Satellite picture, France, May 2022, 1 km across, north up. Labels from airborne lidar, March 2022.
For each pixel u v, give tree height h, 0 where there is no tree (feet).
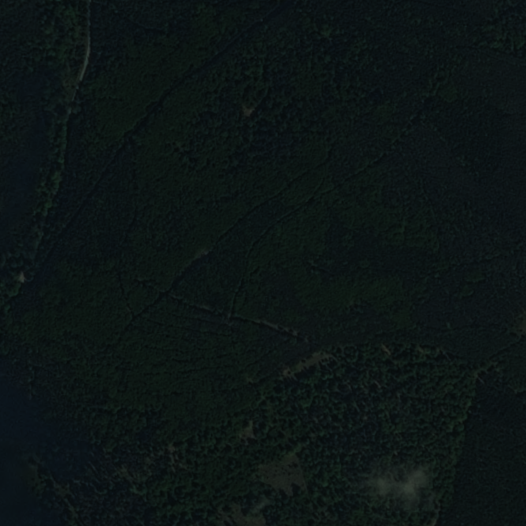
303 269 49
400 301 66
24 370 90
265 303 54
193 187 57
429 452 76
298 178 52
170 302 56
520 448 59
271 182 70
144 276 62
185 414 58
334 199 47
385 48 85
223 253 54
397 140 50
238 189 55
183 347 53
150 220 55
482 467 46
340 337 55
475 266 69
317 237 56
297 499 39
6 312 58
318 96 68
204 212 54
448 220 52
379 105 71
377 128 73
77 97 36
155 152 64
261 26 63
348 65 82
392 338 51
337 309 59
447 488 54
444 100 46
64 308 77
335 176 60
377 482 72
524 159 46
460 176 71
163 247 60
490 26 62
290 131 68
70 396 66
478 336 54
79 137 71
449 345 60
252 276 39
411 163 69
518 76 60
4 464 0
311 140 61
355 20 67
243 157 67
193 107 58
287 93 87
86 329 59
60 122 51
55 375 63
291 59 63
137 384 61
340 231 52
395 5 78
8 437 97
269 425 21
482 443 46
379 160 59
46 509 110
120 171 54
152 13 23
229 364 45
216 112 65
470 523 43
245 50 58
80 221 63
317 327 58
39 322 70
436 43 81
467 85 65
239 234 54
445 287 63
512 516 61
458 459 46
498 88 62
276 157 65
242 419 30
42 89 74
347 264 49
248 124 37
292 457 0
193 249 57
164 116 67
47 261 75
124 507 105
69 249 52
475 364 53
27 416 96
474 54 58
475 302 64
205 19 67
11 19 44
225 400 58
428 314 70
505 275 57
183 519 73
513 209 59
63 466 125
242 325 58
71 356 73
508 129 39
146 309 48
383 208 53
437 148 76
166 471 30
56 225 72
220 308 44
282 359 61
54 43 87
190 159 47
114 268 60
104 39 62
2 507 0
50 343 64
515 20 73
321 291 61
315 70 64
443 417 88
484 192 64
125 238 36
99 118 61
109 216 48
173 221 64
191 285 47
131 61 64
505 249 70
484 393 51
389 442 73
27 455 26
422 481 70
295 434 34
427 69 65
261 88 36
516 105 63
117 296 57
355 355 69
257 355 55
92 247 58
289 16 76
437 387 71
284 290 57
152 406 52
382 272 50
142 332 59
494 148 47
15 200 63
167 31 52
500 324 56
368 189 57
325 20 70
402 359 70
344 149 68
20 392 96
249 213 52
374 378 81
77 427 66
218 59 72
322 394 95
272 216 52
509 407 53
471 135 51
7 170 59
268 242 51
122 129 59
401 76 73
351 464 93
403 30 75
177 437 57
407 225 54
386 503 56
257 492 24
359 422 87
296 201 61
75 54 24
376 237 56
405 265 50
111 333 67
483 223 76
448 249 68
